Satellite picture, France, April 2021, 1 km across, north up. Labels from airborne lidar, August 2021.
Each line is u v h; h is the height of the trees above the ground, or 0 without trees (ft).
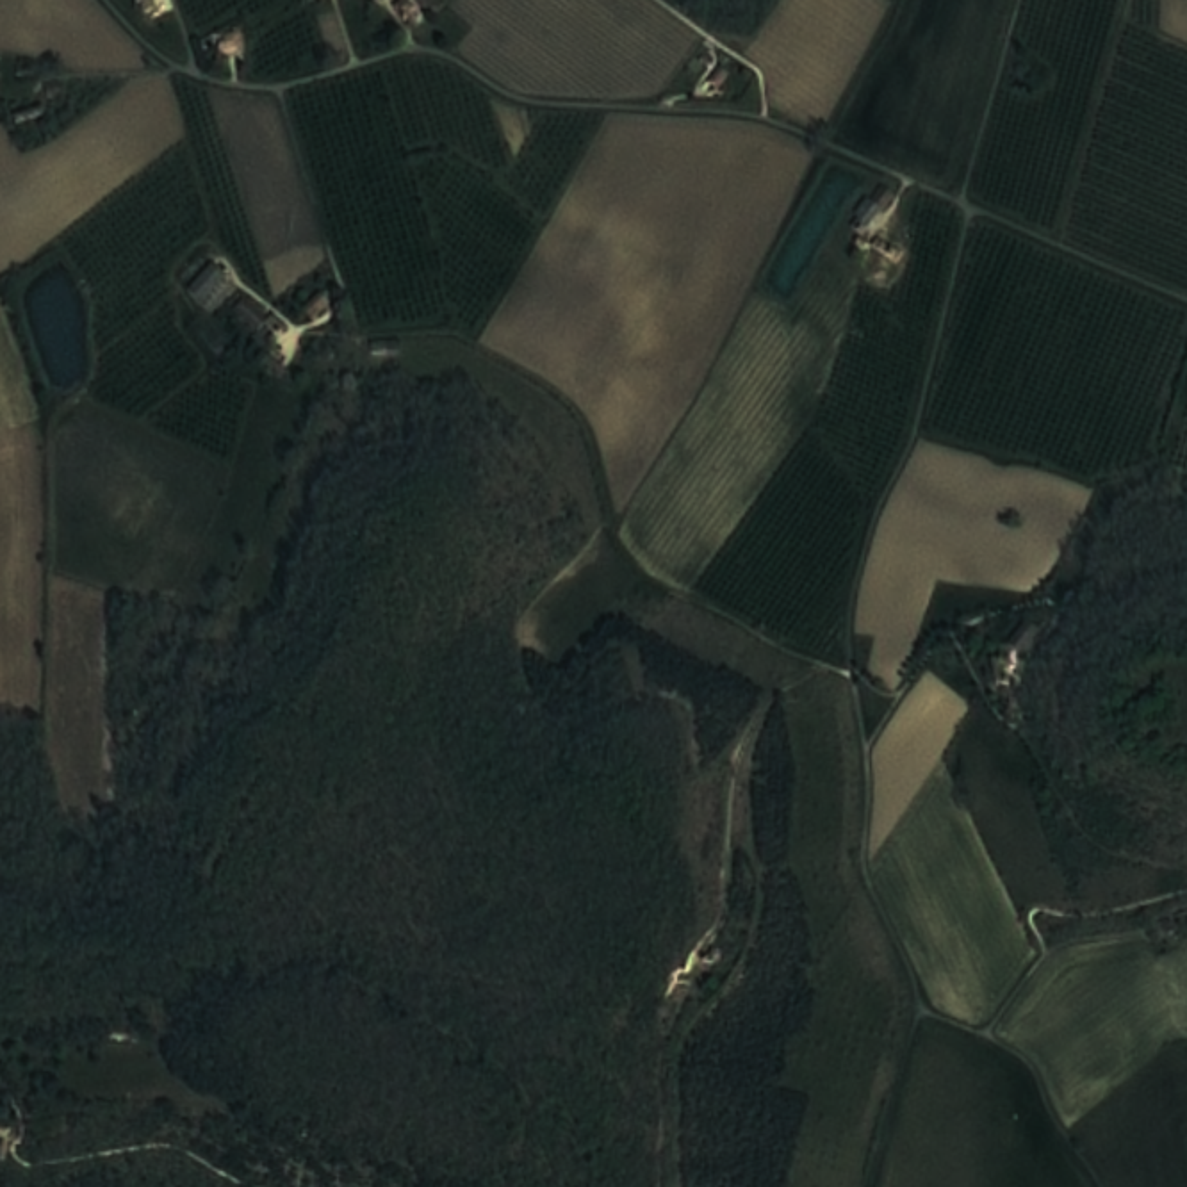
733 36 31
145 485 0
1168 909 44
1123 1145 0
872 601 0
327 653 33
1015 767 0
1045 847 0
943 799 0
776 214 0
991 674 22
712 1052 27
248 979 54
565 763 30
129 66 0
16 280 22
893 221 0
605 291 0
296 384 42
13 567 0
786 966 25
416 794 49
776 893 22
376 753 52
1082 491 0
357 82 18
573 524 42
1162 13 0
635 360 0
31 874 49
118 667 58
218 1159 31
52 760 39
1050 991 0
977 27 0
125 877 61
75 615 0
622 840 43
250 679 51
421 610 26
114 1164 40
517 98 0
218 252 0
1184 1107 0
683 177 0
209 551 0
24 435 0
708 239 0
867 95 0
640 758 29
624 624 34
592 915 51
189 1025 60
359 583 28
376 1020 41
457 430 48
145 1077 0
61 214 0
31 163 0
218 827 25
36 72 46
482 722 84
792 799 30
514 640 61
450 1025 59
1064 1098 0
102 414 0
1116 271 0
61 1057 31
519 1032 48
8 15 0
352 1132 29
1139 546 67
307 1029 45
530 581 38
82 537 0
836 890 26
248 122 0
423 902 31
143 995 48
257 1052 38
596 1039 32
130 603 47
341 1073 45
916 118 0
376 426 31
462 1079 51
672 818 29
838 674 0
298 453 55
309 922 50
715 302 0
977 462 0
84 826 54
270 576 0
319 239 0
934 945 0
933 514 0
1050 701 37
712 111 0
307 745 47
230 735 29
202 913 30
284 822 37
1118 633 63
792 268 0
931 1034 0
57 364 0
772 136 0
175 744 42
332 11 0
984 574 0
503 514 23
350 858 45
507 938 52
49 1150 48
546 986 53
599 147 0
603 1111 34
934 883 0
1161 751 41
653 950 36
